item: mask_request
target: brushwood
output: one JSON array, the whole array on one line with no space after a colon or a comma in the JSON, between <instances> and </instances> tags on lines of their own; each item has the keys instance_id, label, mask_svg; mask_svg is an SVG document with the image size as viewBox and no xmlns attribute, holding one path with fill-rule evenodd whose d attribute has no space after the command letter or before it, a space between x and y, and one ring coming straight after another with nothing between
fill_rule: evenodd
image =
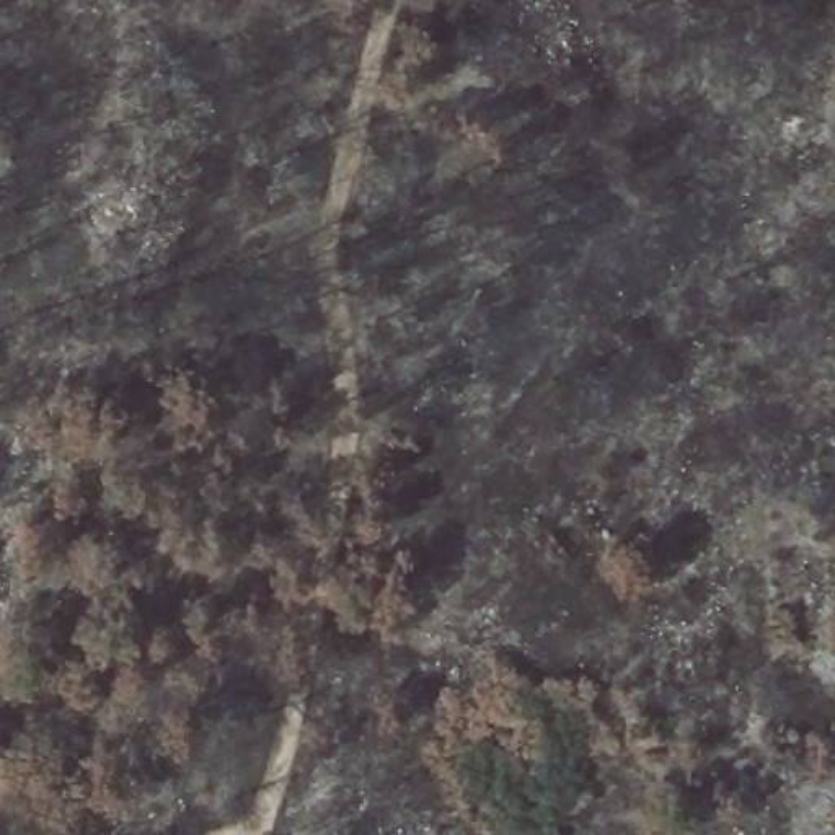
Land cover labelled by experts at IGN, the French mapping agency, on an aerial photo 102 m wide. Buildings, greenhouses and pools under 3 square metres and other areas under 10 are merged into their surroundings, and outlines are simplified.
<instances>
[{"instance_id":1,"label":"brushwood","mask_svg":"<svg viewBox=\"0 0 835 835\"><path fill-rule=\"evenodd\" d=\"M825 682L825 691L835 701L835 610L822 603L812 630L812 672Z\"/></svg>"},{"instance_id":2,"label":"brushwood","mask_svg":"<svg viewBox=\"0 0 835 835\"><path fill-rule=\"evenodd\" d=\"M594 711L594 705L581 711L561 711L545 695L545 685L519 678L515 698L509 701L509 714L541 721L545 757L512 760L512 753L499 740L483 737L470 753L450 757L450 770L457 770L463 783L470 815L476 815L476 822L486 822L489 828L499 828L502 835L558 835L558 822L564 815L574 815L574 802L581 796L574 767L581 757L590 757L594 737L587 731L587 714Z\"/></svg>"}]
</instances>

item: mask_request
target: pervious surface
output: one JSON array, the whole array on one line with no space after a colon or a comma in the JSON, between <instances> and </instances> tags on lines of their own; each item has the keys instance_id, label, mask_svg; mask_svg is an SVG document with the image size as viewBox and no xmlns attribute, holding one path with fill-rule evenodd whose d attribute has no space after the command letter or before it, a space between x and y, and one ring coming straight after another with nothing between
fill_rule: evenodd
<instances>
[{"instance_id":1,"label":"pervious surface","mask_svg":"<svg viewBox=\"0 0 835 835\"><path fill-rule=\"evenodd\" d=\"M287 708L281 744L264 773L258 812L238 825L212 835L277 835L274 819L281 796L287 789L287 773L303 724L303 714L294 708Z\"/></svg>"},{"instance_id":2,"label":"pervious surface","mask_svg":"<svg viewBox=\"0 0 835 835\"><path fill-rule=\"evenodd\" d=\"M359 78L349 101L352 111L365 111L375 104L382 55L395 26L388 13L382 13L372 23L362 46Z\"/></svg>"},{"instance_id":3,"label":"pervious surface","mask_svg":"<svg viewBox=\"0 0 835 835\"><path fill-rule=\"evenodd\" d=\"M326 202L336 212L342 212L362 157L339 150L333 160Z\"/></svg>"}]
</instances>

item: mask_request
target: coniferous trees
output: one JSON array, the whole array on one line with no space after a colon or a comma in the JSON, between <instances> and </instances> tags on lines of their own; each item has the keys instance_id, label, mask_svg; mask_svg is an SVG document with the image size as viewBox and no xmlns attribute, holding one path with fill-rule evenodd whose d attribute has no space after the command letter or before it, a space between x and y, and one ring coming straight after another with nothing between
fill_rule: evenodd
<instances>
[{"instance_id":1,"label":"coniferous trees","mask_svg":"<svg viewBox=\"0 0 835 835\"><path fill-rule=\"evenodd\" d=\"M72 493L72 470L91 460L101 473L104 509L121 509L127 519L140 515L140 473L160 466L170 444L173 450L186 453L202 450L202 444L212 437L205 414L219 411L222 404L215 378L202 369L186 365L176 356L147 356L140 359L137 382L127 388L108 388L95 382L59 382L46 391L46 401L39 408L23 404L13 421L0 421L0 835L212 835L238 825L232 809L225 806L235 796L235 789L225 780L215 793L205 793L205 767L199 763L199 757L209 747L209 734L196 708L205 682L202 669L235 652L241 662L258 665L261 672L281 682L297 682L310 662L307 636L320 630L326 607L336 613L339 630L375 633L385 646L398 643L395 620L411 616L414 610L404 600L404 577L411 571L411 558L408 551L385 548L385 538L375 525L378 499L369 486L369 466L375 453L333 457L333 502L326 522L313 522L300 502L284 502L281 512L294 525L277 541L254 545L248 554L222 564L222 581L183 574L173 600L150 603L144 590L144 571L114 571L114 548L95 545L91 538L82 538L72 548L68 564L42 568L36 535L29 532L29 515L42 502L52 502L55 519L82 515L85 499Z\"/></svg>"},{"instance_id":2,"label":"coniferous trees","mask_svg":"<svg viewBox=\"0 0 835 835\"><path fill-rule=\"evenodd\" d=\"M662 581L649 535L633 532L620 541L600 541L600 577L613 584L620 600L636 600L652 590L652 581Z\"/></svg>"}]
</instances>

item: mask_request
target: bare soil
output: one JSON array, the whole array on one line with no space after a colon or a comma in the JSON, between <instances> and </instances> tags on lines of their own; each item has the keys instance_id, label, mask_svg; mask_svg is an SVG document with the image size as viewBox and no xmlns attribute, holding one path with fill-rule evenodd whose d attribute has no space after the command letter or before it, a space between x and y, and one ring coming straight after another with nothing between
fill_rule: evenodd
<instances>
[{"instance_id":1,"label":"bare soil","mask_svg":"<svg viewBox=\"0 0 835 835\"><path fill-rule=\"evenodd\" d=\"M359 78L362 46L372 23L382 13L388 13L395 26L382 55L375 104L365 111L352 111L349 101ZM342 212L336 212L326 202L333 160L339 150L362 157ZM140 515L127 519L121 509L104 509L101 473L91 460L72 470L72 493L85 499L82 515L55 519L52 502L42 502L29 515L29 532L36 535L42 568L68 564L72 548L82 538L91 538L95 545L114 548L114 571L144 571L144 590L150 603L173 600L183 574L222 581L222 564L248 554L254 545L277 541L294 525L281 512L284 502L300 502L313 522L326 522L333 502L333 457L375 453L369 466L369 486L378 499L375 525L385 538L385 548L408 551L411 558L411 571L404 577L404 600L414 610L411 616L395 620L398 643L385 646L375 633L339 630L336 613L326 607L320 630L307 636L310 662L297 682L281 682L261 672L258 665L241 662L235 652L202 669L205 682L196 708L209 734L209 747L199 757L199 763L205 767L205 793L215 793L225 780L235 789L235 796L225 806L232 809L238 825L258 812L264 773L281 744L287 708L294 708L303 714L303 724L287 773L287 789L281 796L274 819L277 835L502 835L499 828L489 828L486 822L476 822L476 815L470 815L463 783L457 770L450 770L450 757L470 753L483 737L499 740L512 753L512 760L545 757L541 721L509 714L509 701L515 698L519 678L545 685L545 695L561 711L581 711L594 705L594 711L587 714L587 731L594 737L590 757L581 757L574 767L581 796L574 802L574 815L564 815L558 822L558 835L835 835L835 701L825 691L825 682L812 672L812 630L822 603L835 610L835 0L0 0L0 421L13 421L23 404L39 408L46 401L46 391L59 382L95 382L108 388L127 388L137 382L140 359L147 356L176 356L186 365L202 369L215 378L222 404L219 411L205 414L212 437L202 444L202 450L186 453L173 450L170 444L160 466L140 473ZM636 600L620 600L613 584L600 577L600 541L620 541L633 532L649 535L662 581L652 581L652 590Z\"/></svg>"}]
</instances>

